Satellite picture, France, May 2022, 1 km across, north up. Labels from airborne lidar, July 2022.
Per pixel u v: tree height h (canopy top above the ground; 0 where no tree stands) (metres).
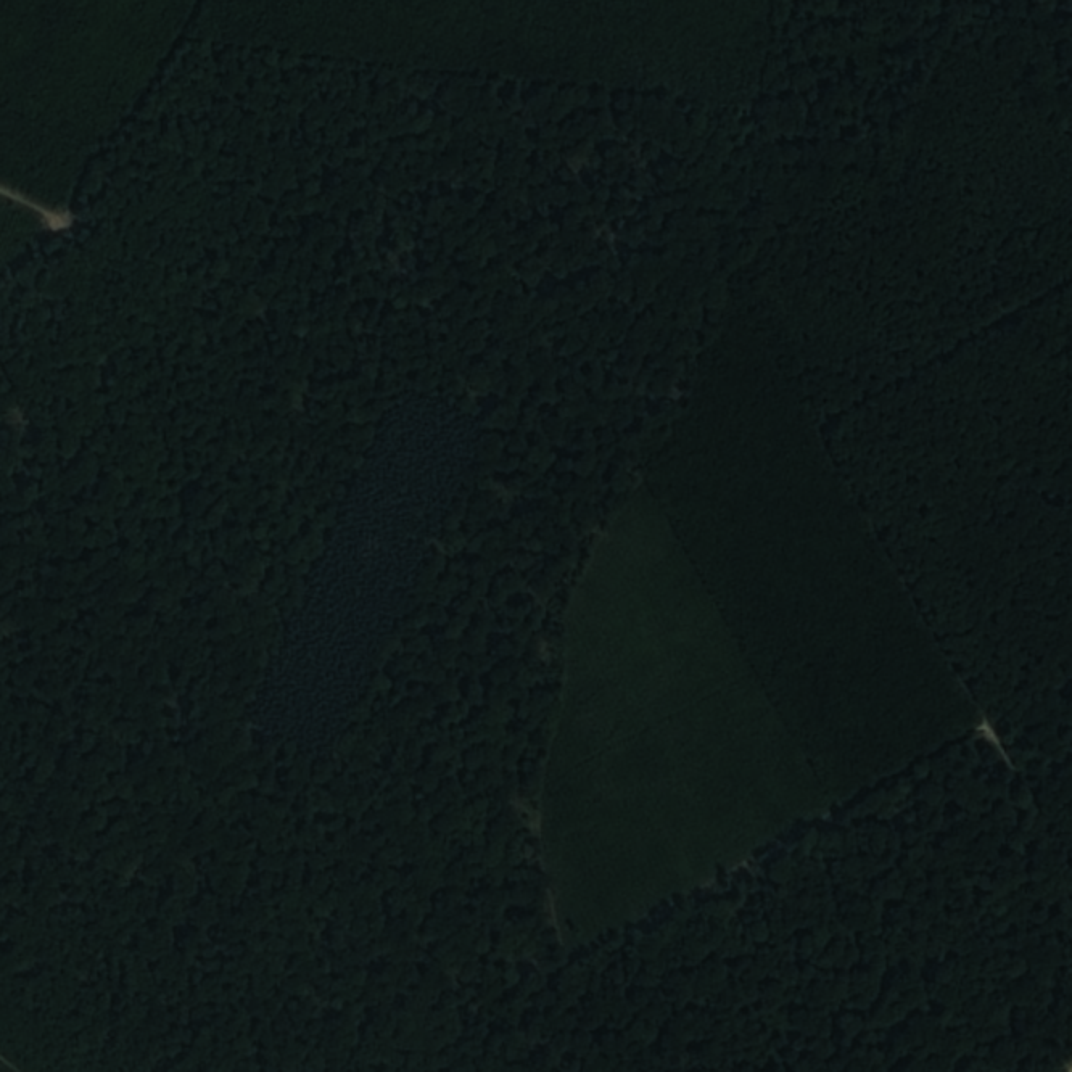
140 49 10
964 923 25
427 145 30
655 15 15
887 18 18
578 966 24
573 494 26
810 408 15
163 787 22
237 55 20
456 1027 21
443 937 23
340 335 25
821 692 17
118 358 24
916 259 22
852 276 25
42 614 26
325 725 23
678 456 16
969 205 16
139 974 17
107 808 25
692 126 31
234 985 19
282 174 22
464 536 23
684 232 30
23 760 28
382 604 22
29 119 11
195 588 27
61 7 14
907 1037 34
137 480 24
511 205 22
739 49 13
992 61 14
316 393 24
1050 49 13
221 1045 21
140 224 19
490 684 27
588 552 8
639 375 32
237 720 20
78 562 24
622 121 29
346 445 19
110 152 20
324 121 23
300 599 23
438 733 22
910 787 13
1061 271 20
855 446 27
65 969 19
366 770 23
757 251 23
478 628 31
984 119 13
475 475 26
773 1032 7
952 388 28
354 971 25
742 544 16
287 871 27
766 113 31
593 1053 28
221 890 26
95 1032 18
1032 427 30
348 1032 22
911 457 28
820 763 12
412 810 22
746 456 15
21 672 22
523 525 27
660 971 21
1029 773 24
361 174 22
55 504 27
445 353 21
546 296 25
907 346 25
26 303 21
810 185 28
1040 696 29
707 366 14
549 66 15
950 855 29
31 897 20
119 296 19
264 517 25
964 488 31
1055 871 27
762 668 12
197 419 21
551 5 18
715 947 25
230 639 26
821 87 11
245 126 20
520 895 28
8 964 19
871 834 31
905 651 17
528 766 26
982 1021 24
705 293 33
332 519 17
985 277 17
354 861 25
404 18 14
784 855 26
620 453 33
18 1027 16
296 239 6
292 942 26
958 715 16
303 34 19
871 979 27
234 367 18
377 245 13
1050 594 28
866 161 18
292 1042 21
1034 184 14
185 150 24
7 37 10
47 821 25
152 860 23
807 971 28
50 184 12
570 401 27
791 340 18
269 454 19
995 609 27
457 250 25
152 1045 23
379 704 22
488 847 31
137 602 6
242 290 20
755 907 16
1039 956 31
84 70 9
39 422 29
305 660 21
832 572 16
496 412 30
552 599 6
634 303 27
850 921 34
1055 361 25
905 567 22
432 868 26
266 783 30
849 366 24
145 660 25
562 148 30
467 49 13
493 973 17
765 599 15
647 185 26
